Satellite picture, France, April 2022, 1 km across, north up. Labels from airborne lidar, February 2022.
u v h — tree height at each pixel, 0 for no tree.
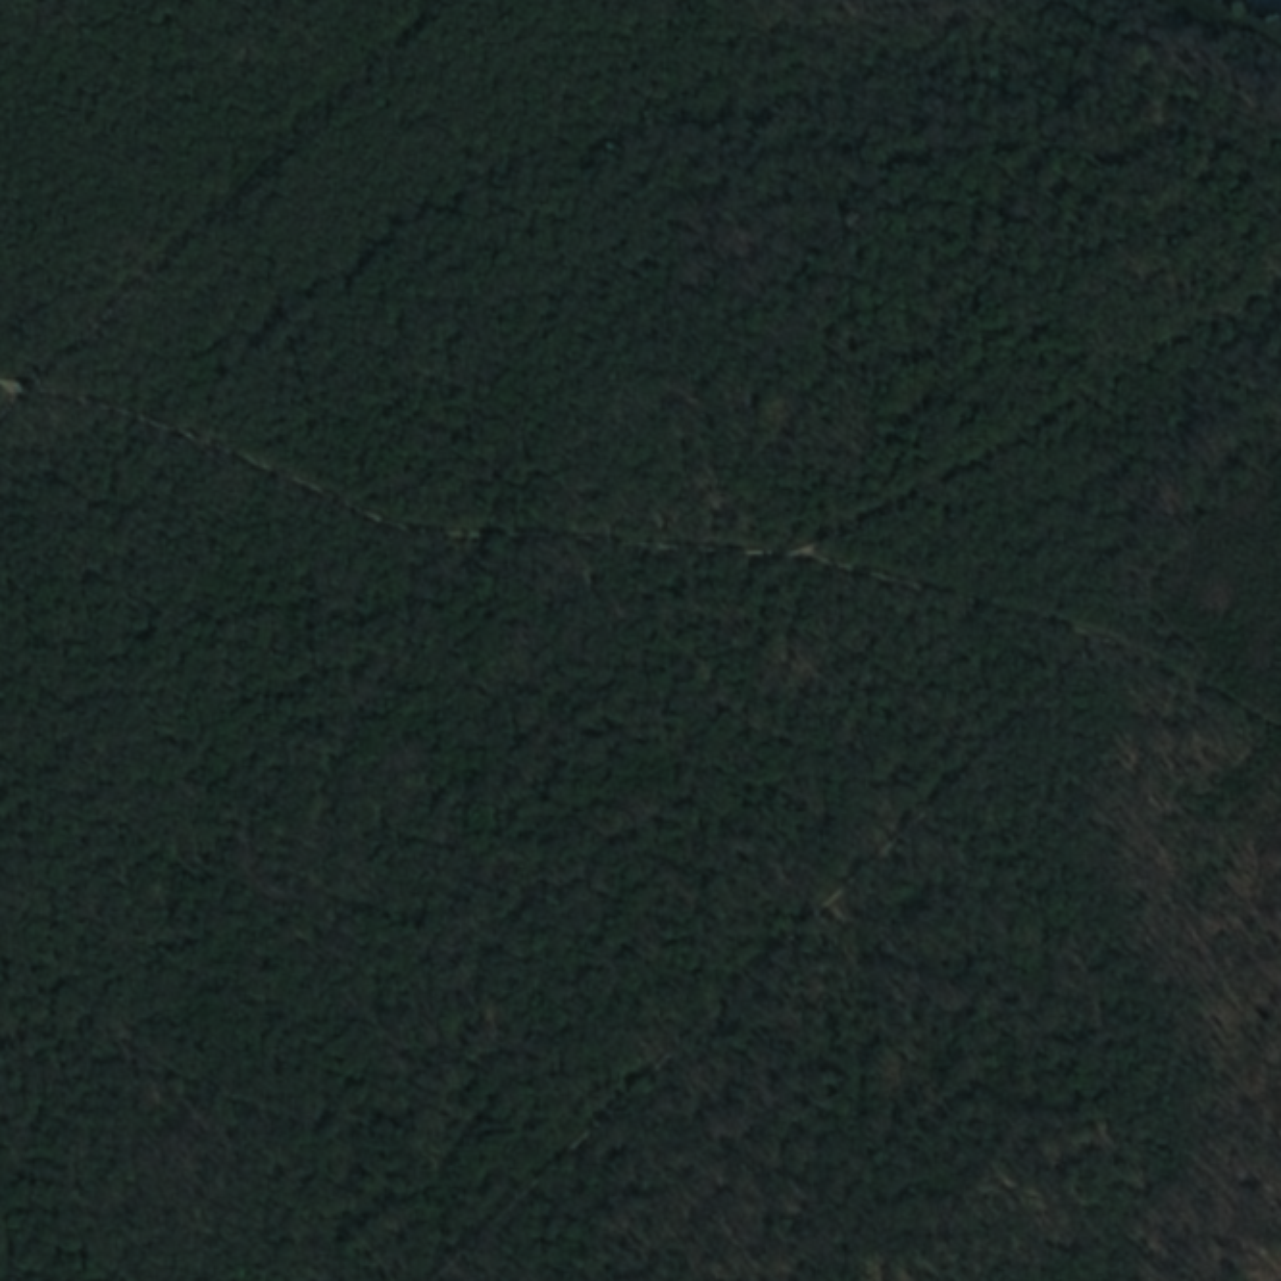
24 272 23
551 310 24
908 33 28
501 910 26
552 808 25
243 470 19
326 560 25
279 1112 29
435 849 21
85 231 20
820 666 27
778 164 29
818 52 27
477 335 28
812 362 25
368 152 24
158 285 20
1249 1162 25
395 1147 24
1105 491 26
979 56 25
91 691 20
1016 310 25
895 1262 29
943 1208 27
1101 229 25
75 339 23
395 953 22
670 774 0
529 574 27
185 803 25
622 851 23
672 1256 26
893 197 27
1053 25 26
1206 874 23
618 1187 28
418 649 24
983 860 23
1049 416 21
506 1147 27
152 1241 28
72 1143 30
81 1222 29
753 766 24
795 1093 30
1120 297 29
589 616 33
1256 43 19
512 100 23
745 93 25
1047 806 24
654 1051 25
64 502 26
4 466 24
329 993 22
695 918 24
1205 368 25
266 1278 25
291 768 26
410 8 22
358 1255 28
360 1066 26
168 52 24
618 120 26
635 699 24
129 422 21
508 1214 25
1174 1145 27
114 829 23
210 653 20
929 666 25
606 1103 27
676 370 23
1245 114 25
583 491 25
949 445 29
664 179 27
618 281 25
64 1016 27
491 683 22
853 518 21
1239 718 27
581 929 30
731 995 22
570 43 22
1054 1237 30
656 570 24
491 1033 28
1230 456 25
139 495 24
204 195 20
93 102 22
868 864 19
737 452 26
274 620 24
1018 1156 28
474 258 25
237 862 24
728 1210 26
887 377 25
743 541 21
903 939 26
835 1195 28
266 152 21
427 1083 26
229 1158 30
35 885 27
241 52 25
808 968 28
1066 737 22
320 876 25
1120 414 27
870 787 26
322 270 23
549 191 26
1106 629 16
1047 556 27
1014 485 26
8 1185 23
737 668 26
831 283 27
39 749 25
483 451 21
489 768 22
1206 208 24
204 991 25
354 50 23
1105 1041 25
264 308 25
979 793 25
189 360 26
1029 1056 26
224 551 19
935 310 25
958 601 25
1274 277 27
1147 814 24
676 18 25
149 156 21
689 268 25
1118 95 27
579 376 24
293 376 24
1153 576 24
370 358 26
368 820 27
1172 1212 28
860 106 26
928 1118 29
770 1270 29
